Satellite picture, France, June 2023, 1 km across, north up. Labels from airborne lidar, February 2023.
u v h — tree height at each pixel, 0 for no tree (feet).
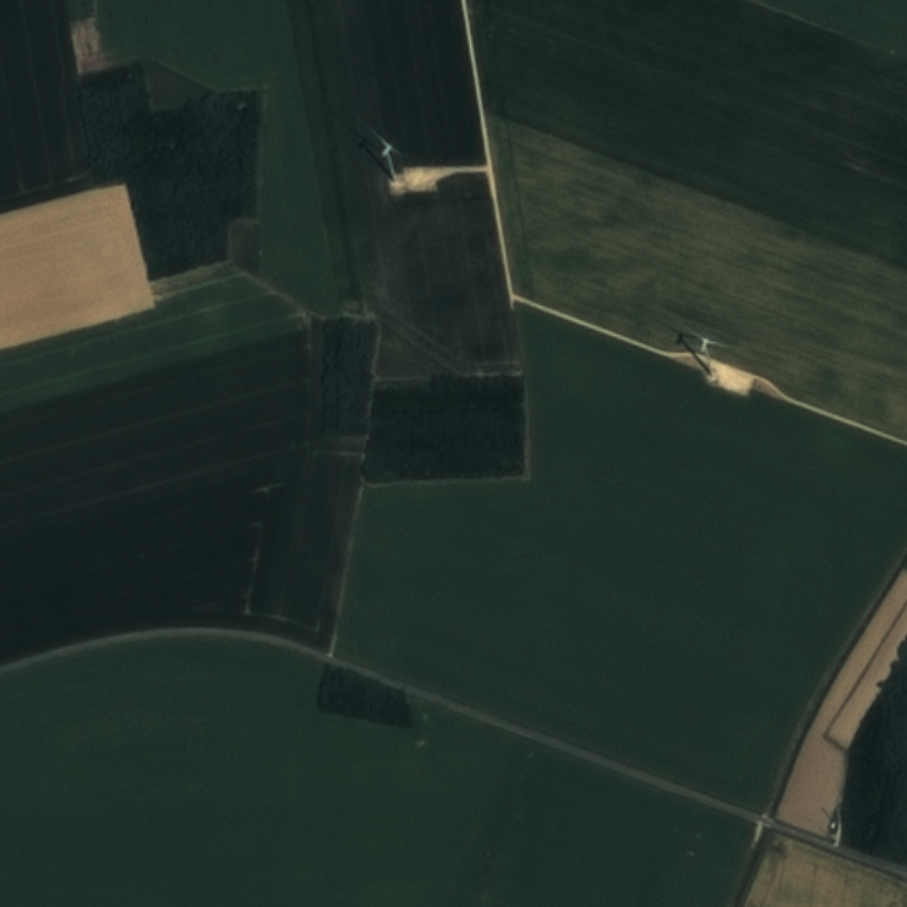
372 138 0
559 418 0
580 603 0
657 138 0
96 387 0
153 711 0
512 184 0
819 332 0
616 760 0
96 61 0
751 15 0
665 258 0
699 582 0
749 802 0
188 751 0
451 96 0
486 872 0
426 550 0
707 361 0
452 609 0
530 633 0
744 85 0
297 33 0
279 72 0
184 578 0
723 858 0
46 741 0
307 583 0
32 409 0
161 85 0
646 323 0
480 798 0
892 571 0
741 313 0
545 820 0
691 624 0
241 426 0
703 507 0
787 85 0
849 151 0
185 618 0
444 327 0
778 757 0
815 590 0
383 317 0
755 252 0
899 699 51
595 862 0
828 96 0
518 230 0
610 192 0
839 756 0
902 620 0
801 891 0
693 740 0
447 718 0
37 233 0
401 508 0
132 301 0
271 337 0
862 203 0
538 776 0
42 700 0
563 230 0
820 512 0
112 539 0
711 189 0
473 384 43
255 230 0
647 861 0
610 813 0
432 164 0
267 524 0
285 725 0
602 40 0
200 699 0
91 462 0
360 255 0
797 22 0
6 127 0
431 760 0
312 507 0
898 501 0
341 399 43
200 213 34
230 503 0
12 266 0
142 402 0
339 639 0
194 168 59
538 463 0
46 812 0
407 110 0
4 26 0
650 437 0
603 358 0
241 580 0
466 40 0
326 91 0
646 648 0
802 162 0
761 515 0
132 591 0
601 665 0
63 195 0
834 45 0
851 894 0
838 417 0
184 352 0
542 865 0
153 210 36
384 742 0
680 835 0
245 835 0
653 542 0
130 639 0
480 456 35
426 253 0
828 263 0
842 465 0
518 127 0
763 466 0
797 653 0
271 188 0
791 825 0
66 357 0
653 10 0
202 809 0
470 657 0
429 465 34
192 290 0
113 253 0
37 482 0
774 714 0
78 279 0
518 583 0
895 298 0
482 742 0
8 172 0
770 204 0
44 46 0
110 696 0
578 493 0
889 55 0
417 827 0
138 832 0
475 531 0
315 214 0
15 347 0
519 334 0
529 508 0
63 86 0
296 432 0
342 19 0
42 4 0
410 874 0
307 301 0
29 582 0
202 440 0
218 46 0
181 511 0
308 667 0
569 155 0
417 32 0
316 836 0
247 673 0
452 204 0
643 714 0
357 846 0
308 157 0
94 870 0
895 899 0
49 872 0
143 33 0
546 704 0
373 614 0
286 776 0
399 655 0
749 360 0
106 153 48
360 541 0
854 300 0
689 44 0
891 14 0
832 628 0
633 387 0
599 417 0
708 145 0
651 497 0
